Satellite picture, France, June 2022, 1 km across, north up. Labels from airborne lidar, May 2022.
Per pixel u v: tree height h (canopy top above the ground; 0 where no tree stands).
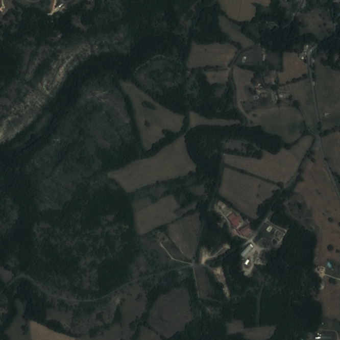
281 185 13
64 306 7
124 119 0
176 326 0
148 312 7
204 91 11
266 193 0
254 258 0
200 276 0
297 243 9
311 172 0
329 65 9
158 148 13
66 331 10
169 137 13
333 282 12
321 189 0
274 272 9
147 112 0
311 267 13
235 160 0
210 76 0
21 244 8
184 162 0
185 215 11
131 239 6
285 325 12
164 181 9
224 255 11
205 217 12
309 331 10
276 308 11
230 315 11
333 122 0
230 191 0
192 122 0
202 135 6
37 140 18
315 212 0
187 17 0
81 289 7
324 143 0
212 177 14
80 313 7
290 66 0
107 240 7
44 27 13
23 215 12
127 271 7
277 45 16
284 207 10
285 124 0
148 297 11
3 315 8
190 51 9
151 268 7
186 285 6
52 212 7
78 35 5
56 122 14
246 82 0
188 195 13
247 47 0
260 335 0
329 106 0
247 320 10
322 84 0
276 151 15
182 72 7
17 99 6
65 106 11
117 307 6
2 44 8
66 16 17
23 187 12
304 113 0
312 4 8
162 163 0
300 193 0
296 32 22
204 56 0
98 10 9
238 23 9
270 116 0
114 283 6
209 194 8
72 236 6
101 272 8
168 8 16
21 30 12
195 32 11
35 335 0
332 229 0
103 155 11
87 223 7
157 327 0
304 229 9
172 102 12
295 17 10
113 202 10
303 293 10
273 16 16
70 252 7
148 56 9
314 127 0
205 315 7
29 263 9
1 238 9
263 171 0
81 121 6
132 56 10
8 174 14
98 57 7
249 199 0
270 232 0
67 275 7
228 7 0
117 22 9
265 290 10
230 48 0
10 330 0
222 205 0
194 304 7
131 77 10
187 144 8
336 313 0
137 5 10
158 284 8
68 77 11
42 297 6
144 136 0
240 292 9
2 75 11
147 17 6
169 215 0
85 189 7
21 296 10
